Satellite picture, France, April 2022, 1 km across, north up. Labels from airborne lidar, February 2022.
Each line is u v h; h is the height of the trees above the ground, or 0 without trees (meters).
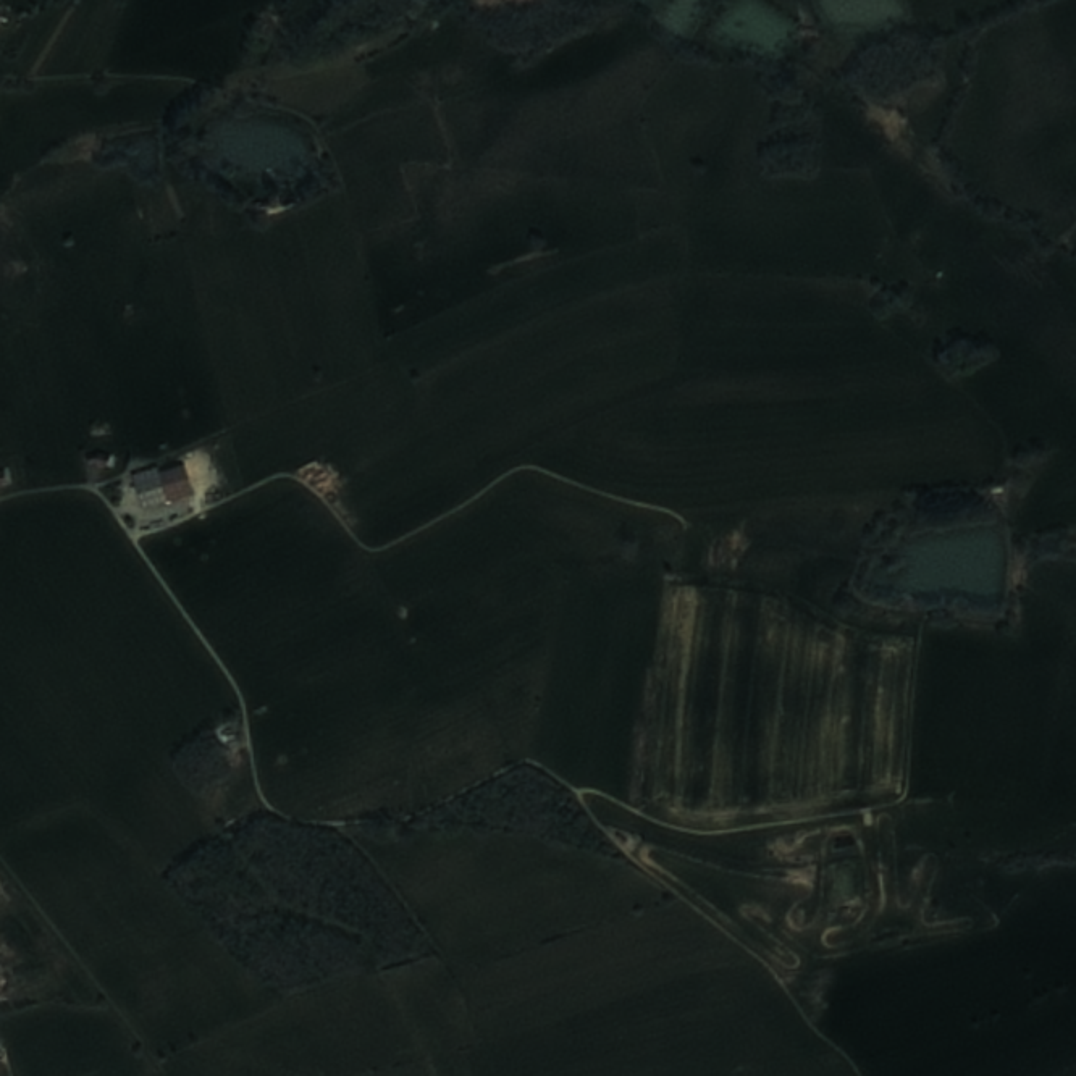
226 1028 0
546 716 0
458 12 10
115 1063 0
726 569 0
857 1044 0
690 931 0
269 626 0
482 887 0
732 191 0
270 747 0
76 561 0
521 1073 0
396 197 0
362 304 0
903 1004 0
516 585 0
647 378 0
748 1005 0
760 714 0
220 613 0
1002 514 14
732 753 0
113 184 0
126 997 0
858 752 0
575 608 0
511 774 12
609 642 0
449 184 0
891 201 0
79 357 0
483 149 0
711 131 0
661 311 0
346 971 8
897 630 0
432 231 0
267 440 0
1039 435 0
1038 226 8
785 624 0
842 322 0
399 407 0
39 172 0
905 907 0
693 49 17
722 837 0
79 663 0
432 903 0
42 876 0
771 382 0
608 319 0
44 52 0
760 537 0
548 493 0
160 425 0
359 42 20
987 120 0
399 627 0
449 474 0
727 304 0
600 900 0
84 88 0
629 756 0
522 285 0
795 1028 0
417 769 0
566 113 0
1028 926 0
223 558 0
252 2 0
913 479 0
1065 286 0
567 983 0
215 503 0
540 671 0
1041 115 0
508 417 0
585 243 0
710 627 0
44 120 0
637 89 0
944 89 0
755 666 0
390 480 0
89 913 0
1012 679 0
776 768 0
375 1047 0
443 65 0
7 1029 0
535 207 0
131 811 0
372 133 0
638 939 0
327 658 0
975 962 0
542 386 0
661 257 0
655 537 0
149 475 0
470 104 0
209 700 0
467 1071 0
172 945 0
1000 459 0
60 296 0
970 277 0
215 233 0
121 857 0
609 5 23
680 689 0
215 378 0
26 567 0
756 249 0
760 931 0
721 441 0
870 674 0
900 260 0
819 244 0
